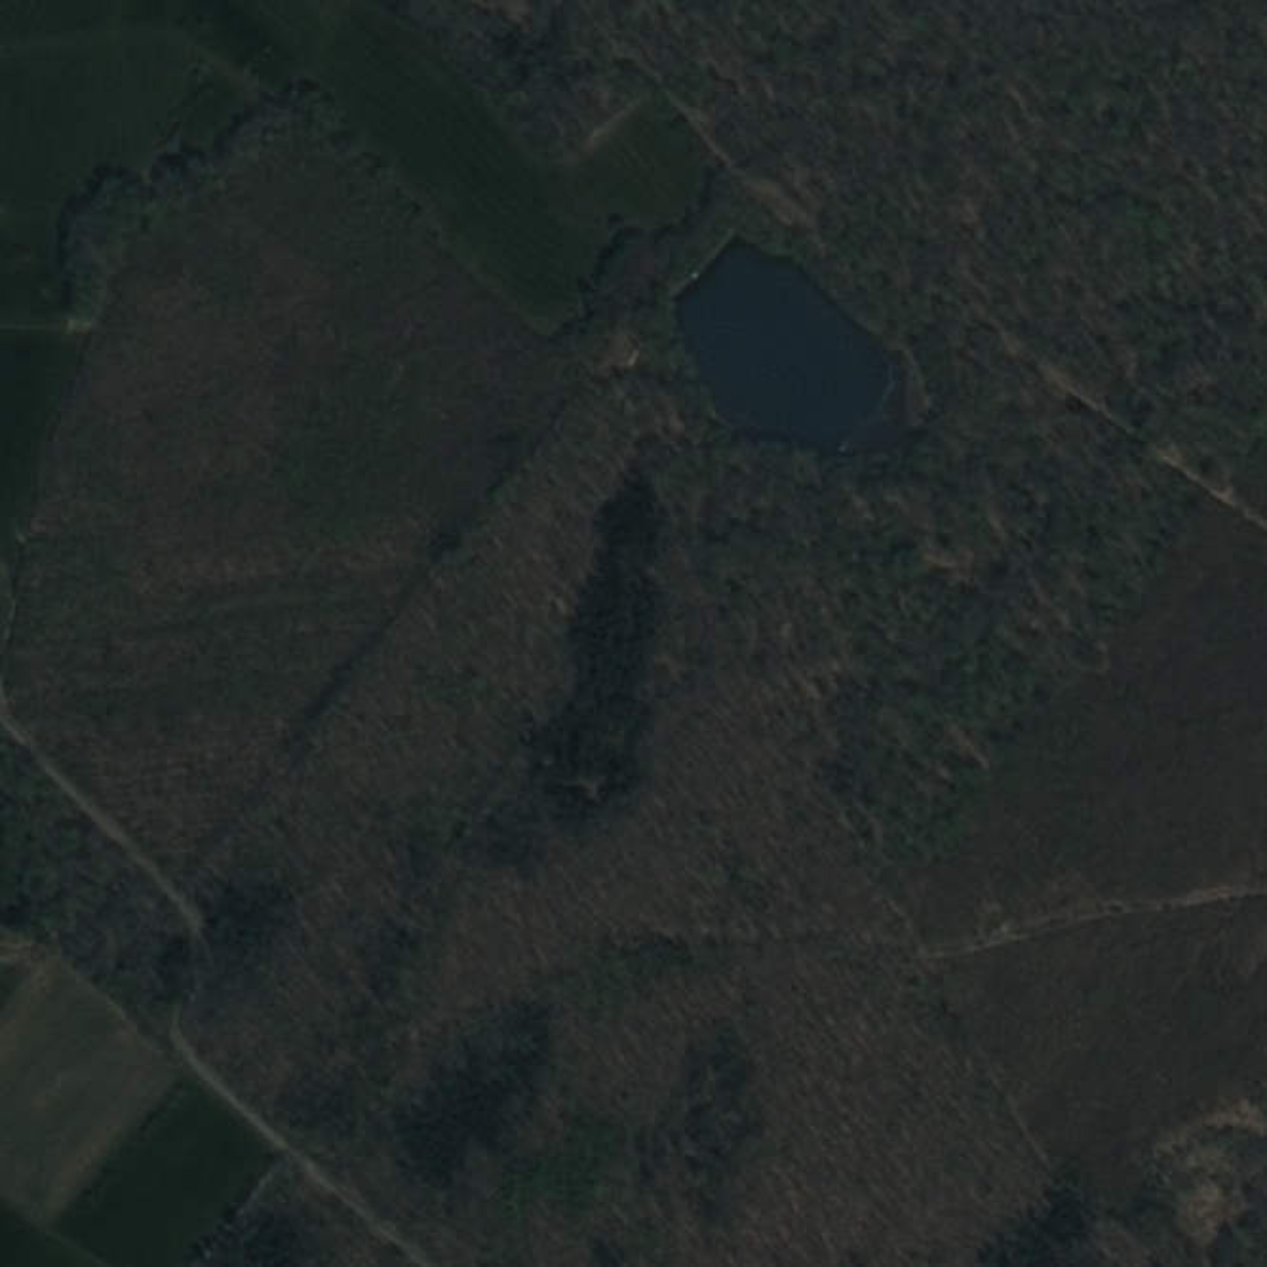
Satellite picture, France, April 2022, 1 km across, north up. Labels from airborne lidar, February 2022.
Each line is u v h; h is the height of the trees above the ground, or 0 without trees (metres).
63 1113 0
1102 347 16
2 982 0
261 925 25
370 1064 20
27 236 0
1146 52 29
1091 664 26
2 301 0
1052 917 16
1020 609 26
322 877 24
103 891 10
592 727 7
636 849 25
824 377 0
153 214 29
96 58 0
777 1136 27
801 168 28
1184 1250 24
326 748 22
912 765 17
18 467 0
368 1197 28
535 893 26
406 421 12
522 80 28
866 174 28
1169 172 27
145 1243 0
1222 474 25
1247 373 29
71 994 0
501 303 12
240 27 0
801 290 0
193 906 22
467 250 0
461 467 12
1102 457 28
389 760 24
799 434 0
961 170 29
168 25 0
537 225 0
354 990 25
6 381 0
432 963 25
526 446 12
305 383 14
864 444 0
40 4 0
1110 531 29
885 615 30
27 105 0
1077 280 0
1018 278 29
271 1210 25
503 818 25
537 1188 24
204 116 0
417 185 0
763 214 26
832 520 28
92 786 17
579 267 0
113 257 35
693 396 30
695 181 0
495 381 14
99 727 15
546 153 23
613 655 23
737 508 32
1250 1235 27
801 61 26
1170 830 15
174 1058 8
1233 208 28
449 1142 26
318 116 19
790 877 25
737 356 0
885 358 0
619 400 24
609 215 0
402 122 0
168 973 28
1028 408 30
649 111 0
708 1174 26
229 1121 0
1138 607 27
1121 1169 9
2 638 0
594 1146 21
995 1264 22
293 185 16
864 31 27
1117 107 31
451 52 19
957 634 31
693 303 0
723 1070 21
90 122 0
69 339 0
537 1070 24
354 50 0
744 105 30
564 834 25
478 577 24
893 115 27
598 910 26
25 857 20
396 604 13
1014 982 15
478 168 0
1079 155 29
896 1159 26
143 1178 0
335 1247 27
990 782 24
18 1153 0
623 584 26
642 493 20
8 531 0
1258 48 29
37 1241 0
